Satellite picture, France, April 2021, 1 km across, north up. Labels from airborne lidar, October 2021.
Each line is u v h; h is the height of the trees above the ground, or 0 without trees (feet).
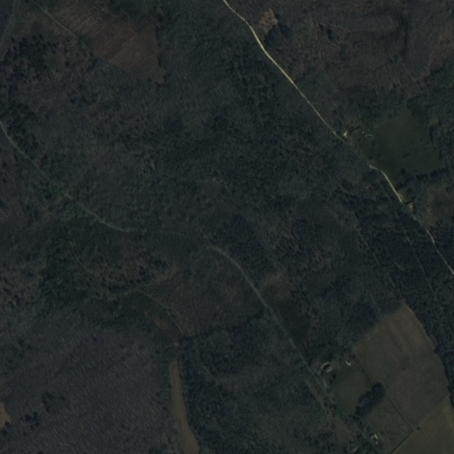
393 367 0
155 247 70
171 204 77
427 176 25
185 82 64
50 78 70
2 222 27
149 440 40
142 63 0
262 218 77
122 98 68
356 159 62
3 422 0
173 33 84
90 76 64
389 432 0
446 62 47
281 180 49
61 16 22
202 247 84
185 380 39
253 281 79
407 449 0
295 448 54
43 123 47
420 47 44
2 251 42
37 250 37
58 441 54
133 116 45
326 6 21
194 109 72
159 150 69
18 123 51
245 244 76
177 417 0
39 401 43
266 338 85
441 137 44
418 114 20
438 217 0
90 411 44
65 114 51
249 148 60
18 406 48
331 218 37
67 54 56
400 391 0
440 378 0
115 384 49
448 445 0
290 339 64
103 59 27
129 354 44
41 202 70
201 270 58
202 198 48
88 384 49
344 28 47
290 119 47
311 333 23
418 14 33
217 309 20
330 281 46
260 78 19
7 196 51
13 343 61
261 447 45
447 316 35
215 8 58
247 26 57
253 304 33
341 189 52
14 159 26
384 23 57
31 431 28
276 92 56
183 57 53
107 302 68
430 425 0
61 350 53
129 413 48
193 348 81
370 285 42
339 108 66
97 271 53
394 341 0
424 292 47
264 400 71
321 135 67
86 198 42
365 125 63
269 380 64
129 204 50
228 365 84
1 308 33
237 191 36
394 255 72
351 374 0
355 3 28
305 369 55
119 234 19
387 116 59
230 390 34
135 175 64
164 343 18
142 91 68
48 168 72
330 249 67
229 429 46
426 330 38
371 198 33
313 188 58
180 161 82
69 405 58
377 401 65
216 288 38
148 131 34
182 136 60
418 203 62
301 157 41
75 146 68
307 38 48
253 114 79
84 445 54
